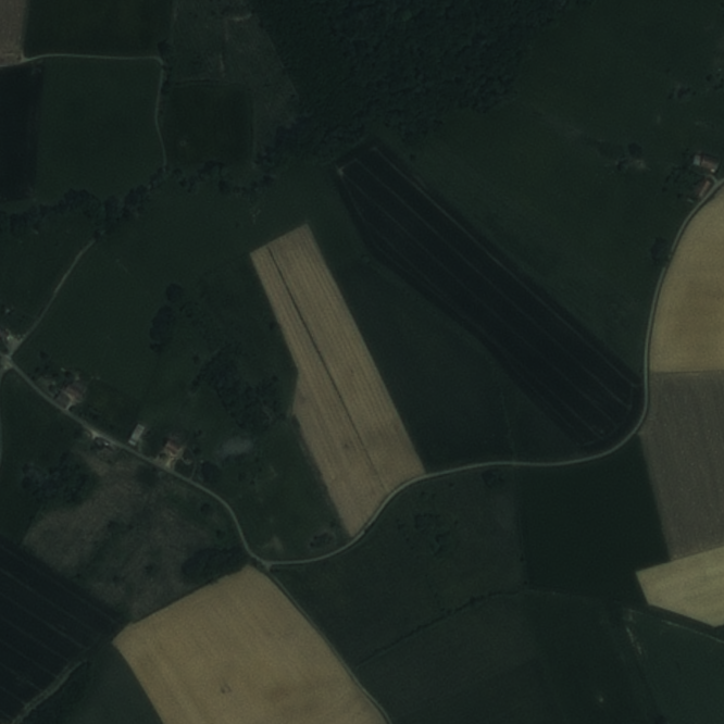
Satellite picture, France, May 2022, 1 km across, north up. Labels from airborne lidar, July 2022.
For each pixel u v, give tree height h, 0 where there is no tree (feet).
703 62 0
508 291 0
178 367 0
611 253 0
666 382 0
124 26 0
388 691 0
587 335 0
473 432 0
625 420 0
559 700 0
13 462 0
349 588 0
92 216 65
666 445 0
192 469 0
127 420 0
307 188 0
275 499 0
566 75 0
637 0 0
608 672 0
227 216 0
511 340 0
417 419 0
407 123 73
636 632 0
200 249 0
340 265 0
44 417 0
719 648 0
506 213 0
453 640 0
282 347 0
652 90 0
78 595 0
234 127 0
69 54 0
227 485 0
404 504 0
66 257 0
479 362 0
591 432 0
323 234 0
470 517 0
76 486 19
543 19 73
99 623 0
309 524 0
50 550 0
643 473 0
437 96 74
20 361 0
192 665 0
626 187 0
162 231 0
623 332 0
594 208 0
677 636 0
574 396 0
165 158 0
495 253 0
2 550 0
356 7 30
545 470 0
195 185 56
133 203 76
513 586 0
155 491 0
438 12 74
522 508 0
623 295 0
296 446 0
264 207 0
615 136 0
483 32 78
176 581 0
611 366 0
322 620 0
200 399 0
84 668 28
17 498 0
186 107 0
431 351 0
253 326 0
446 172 0
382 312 0
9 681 0
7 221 80
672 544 0
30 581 0
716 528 0
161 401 0
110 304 0
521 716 0
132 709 0
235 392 84
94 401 0
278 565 0
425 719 0
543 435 0
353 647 0
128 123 0
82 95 0
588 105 0
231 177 45
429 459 0
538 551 0
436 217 0
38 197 0
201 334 19
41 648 0
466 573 0
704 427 0
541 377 0
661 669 0
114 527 35
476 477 0
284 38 28
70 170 0
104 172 0
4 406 0
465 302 0
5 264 0
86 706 0
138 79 0
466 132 0
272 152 60
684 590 0
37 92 0
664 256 58
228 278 0
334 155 38
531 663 0
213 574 57
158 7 0
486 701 0
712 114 0
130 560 0
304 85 29
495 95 79
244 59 0
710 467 0
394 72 70
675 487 0
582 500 0
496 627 0
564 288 0
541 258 0
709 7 0
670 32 0
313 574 0
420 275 0
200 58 19
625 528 0
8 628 0
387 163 0
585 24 0
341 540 0
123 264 0
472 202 0
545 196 0
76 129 0
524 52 58
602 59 0
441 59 76
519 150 0
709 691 0
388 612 0
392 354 0
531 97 0
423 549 0
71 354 0
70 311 0
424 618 0
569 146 0
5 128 0
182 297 65
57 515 0
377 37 73
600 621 0
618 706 0
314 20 37
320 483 0
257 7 23
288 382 0
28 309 0
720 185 0
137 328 0
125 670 0
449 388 0
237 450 0
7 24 0
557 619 0
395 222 0
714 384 0
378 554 0
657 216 0
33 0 0
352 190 0
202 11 0
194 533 0
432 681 0
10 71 0
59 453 0
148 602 0
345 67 28
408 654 0
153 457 0
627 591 0
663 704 0
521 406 0
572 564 0
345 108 31
